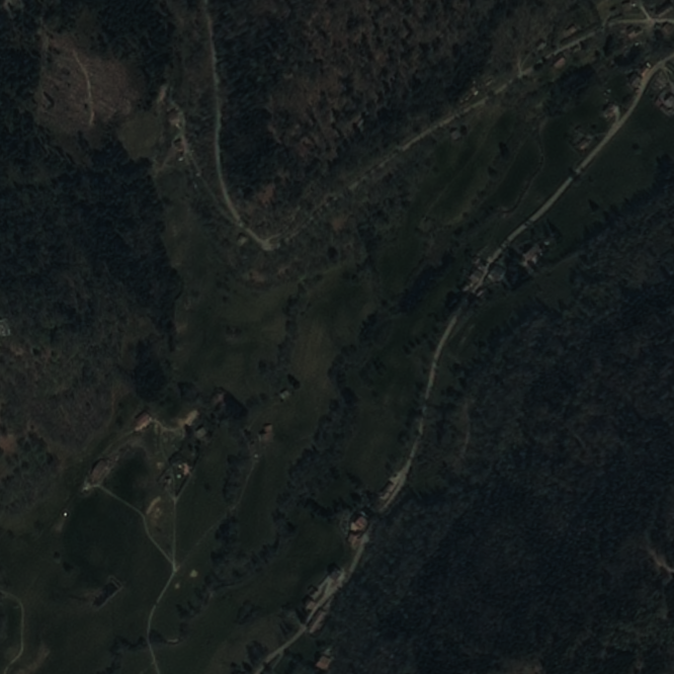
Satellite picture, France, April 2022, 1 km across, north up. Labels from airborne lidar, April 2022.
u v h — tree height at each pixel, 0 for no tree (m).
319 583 0
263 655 22
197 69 21
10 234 29
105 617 0
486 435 25
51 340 18
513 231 0
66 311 28
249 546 0
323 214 13
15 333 15
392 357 0
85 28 0
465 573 22
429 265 12
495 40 13
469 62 24
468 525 17
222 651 0
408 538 9
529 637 20
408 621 12
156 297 34
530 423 10
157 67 36
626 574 14
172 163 0
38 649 0
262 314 0
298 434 0
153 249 22
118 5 33
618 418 15
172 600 0
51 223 30
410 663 28
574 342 15
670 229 14
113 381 26
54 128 0
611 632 19
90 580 0
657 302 15
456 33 35
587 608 20
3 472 0
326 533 0
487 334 0
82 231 29
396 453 0
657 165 0
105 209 33
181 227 0
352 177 16
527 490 20
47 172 28
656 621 21
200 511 0
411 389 0
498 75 16
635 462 20
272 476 0
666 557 17
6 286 26
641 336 8
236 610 0
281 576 0
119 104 0
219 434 0
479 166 0
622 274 8
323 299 0
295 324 17
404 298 8
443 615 23
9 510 25
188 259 0
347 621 10
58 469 30
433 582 12
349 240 11
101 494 0
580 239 0
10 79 35
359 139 27
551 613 22
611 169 0
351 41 12
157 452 0
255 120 10
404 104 24
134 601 0
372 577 11
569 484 18
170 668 0
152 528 0
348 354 21
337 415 25
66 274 29
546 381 14
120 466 0
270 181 16
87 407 32
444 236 8
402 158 18
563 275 0
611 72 15
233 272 6
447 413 15
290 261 24
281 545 18
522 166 0
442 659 13
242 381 0
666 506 15
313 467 23
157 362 32
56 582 0
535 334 21
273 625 0
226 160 17
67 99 0
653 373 10
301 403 0
